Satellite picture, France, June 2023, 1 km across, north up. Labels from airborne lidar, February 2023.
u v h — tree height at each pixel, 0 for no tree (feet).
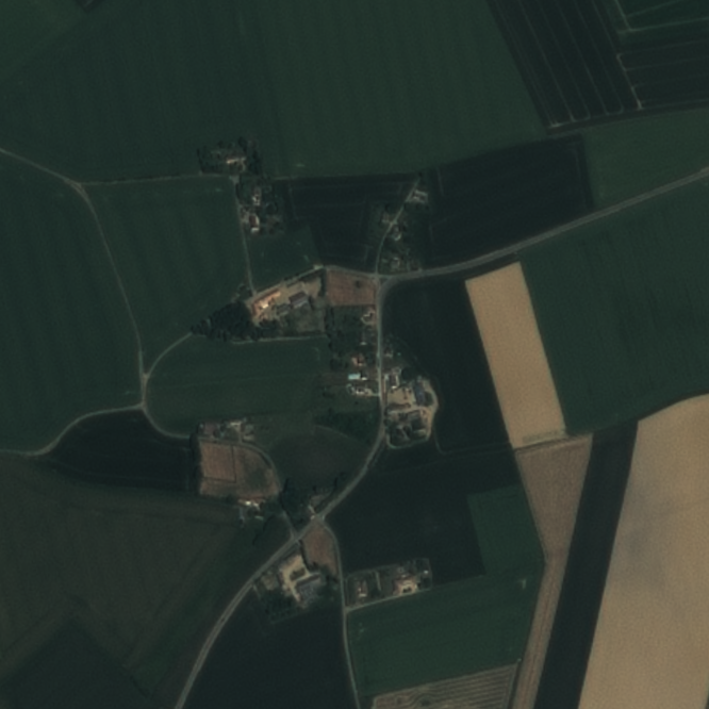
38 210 0
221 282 0
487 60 0
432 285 0
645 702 0
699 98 0
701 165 0
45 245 0
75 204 0
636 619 0
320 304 0
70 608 0
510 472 0
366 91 0
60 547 0
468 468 0
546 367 0
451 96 0
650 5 0
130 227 0
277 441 0
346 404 0
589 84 0
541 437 0
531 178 0
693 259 0
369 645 0
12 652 0
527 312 0
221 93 0
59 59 0
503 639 0
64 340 0
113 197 0
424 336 0
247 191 35
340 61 0
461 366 0
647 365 0
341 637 0
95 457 0
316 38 0
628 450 0
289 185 0
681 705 0
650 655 0
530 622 0
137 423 0
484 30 0
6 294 0
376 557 0
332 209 0
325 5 0
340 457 0
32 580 0
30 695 0
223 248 0
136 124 0
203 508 0
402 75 0
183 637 0
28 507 0
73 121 0
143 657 0
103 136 0
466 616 0
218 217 0
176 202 0
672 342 0
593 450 0
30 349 0
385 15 0
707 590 0
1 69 0
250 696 0
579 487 0
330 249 0
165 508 0
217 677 0
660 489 0
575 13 0
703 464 0
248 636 0
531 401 0
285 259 0
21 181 0
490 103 0
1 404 0
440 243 0
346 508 0
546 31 0
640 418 0
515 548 0
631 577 0
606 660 0
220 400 0
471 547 0
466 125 0
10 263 0
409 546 0
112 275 0
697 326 0
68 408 0
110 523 0
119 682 0
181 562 0
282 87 0
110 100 0
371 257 0
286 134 0
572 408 0
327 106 0
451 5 0
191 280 0
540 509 0
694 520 0
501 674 0
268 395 0
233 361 0
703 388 0
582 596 0
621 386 0
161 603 0
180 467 0
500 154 0
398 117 0
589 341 0
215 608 0
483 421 0
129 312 0
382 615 0
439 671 0
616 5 0
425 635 0
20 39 0
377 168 0
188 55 0
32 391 0
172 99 0
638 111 0
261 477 0
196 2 0
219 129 0
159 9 0
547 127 0
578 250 0
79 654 0
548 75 0
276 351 0
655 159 0
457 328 0
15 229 0
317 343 0
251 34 0
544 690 0
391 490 0
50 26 0
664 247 0
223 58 0
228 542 0
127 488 0
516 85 0
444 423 0
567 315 0
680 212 0
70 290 0
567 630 0
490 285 0
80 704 0
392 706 0
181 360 0
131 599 0
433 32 0
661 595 0
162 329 0
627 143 0
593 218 0
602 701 0
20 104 0
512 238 0
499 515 0
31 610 0
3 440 0
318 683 0
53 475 0
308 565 46
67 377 0
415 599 0
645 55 0
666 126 0
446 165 0
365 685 0
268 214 33
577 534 0
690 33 0
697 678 0
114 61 0
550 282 0
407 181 0
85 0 0
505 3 0
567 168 0
